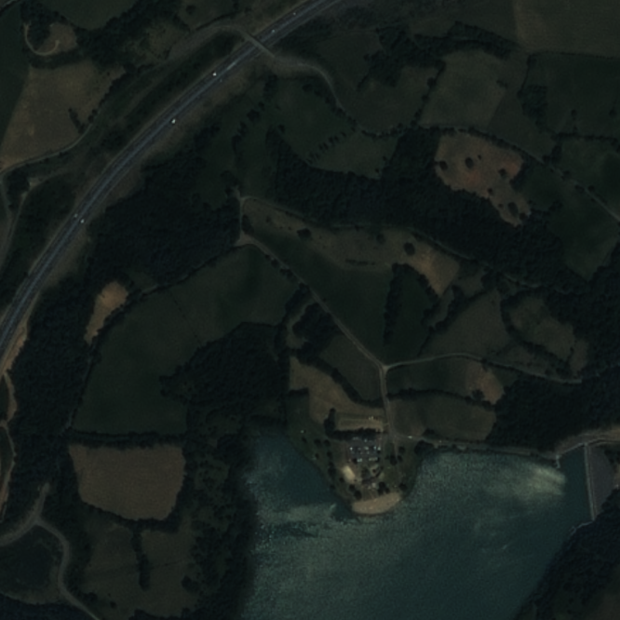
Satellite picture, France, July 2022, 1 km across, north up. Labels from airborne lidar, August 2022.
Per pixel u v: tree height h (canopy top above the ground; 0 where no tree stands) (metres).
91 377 11
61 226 0
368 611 0
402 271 15
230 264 0
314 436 0
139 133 0
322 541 0
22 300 0
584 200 0
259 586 0
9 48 0
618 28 0
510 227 10
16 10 0
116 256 9
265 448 0
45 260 0
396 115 0
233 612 9
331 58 0
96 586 0
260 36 0
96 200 0
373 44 0
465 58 0
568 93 0
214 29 0
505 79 0
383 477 0
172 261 27
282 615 0
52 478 11
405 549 0
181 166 10
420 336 0
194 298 0
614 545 19
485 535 0
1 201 0
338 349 0
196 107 0
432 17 0
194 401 8
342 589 0
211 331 0
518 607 0
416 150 17
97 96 0
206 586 8
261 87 0
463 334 0
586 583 6
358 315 0
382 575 0
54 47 0
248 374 7
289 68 0
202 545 8
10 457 0
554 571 20
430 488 0
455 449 9
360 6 0
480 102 0
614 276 21
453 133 11
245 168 0
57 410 9
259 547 0
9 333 0
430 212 7
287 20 0
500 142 14
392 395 8
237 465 10
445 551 0
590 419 14
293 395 13
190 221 9
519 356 0
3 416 8
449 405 0
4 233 0
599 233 0
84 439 13
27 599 0
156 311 0
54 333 28
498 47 11
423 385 0
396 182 13
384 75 8
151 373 0
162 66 0
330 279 0
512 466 0
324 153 17
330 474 10
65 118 0
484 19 0
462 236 15
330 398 0
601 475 0
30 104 0
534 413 14
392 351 0
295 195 11
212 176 0
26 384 13
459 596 0
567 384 8
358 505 0
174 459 0
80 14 0
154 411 0
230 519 9
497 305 0
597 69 0
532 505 0
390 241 0
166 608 0
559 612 0
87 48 11
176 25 11
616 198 0
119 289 0
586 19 0
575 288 17
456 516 0
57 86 0
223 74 0
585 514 0
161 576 0
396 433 0
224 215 6
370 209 24
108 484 0
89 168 0
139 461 0
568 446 0
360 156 0
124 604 0
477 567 0
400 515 0
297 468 0
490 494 0
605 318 10
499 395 0
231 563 11
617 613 0
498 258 18
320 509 0
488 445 8
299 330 17
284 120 0
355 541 0
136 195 11
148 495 0
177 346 0
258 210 0
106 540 0
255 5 0
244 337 6
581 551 9
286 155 11
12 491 16
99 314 0
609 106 0
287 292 0
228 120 0
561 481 0
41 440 17
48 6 0
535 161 11
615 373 23
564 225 0
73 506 13
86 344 12
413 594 0
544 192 0
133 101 0
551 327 0
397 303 19
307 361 11
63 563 0
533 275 17
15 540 0
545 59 0
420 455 13
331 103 14
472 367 0
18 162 0
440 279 0
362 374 0
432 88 17
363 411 0
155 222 7
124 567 0
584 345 0
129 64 14
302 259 0
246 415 9
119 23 14
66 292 10
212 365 8
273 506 0
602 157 0
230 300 0
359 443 0
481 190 0
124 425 0
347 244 0
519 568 0
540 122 15
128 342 0
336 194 11
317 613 0
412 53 11
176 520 20
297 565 0
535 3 0
